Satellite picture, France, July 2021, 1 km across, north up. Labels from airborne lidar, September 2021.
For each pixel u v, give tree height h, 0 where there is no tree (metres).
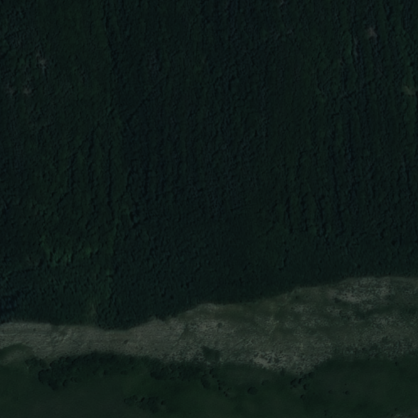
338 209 16
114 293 21
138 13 26
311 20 18
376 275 11
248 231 29
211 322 0
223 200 16
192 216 23
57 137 20
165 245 24
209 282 18
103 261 26
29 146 25
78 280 15
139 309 20
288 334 0
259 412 0
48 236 19
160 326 0
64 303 22
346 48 23
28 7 16
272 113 23
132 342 0
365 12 27
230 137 20
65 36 26
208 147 20
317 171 26
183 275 22
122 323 18
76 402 0
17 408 0
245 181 17
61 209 23
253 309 0
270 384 15
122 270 22
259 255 28
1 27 21
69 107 21
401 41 25
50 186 21
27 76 22
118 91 20
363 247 25
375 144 25
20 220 22
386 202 19
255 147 18
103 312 21
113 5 23
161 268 25
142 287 23
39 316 14
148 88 23
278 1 19
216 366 6
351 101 29
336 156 29
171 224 21
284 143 20
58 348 0
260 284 23
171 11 20
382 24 26
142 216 21
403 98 25
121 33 19
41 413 0
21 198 21
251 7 24
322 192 25
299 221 14
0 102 16
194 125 25
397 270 16
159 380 21
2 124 24
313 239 29
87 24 19
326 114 24
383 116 18
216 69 24
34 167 24
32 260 15
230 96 21
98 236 26
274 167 23
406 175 16
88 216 28
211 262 22
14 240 21
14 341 0
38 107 21
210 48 22
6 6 26
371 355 7
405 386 0
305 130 24
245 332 0
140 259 25
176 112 16
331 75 27
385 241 25
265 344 0
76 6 26
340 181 29
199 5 20
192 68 20
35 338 0
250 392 18
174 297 22
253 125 24
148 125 17
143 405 23
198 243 18
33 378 0
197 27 25
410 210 18
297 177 14
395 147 24
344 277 6
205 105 14
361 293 6
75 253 14
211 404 0
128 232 27
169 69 18
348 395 16
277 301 0
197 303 6
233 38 16
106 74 19
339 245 22
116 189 29
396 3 24
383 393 0
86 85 21
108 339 0
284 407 0
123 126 10
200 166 23
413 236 17
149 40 17
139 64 19
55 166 27
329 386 0
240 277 25
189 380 20
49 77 24
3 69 20
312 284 14
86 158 11
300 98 20
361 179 25
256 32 15
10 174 26
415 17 24
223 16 24
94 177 21
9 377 0
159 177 18
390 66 24
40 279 20
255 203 16
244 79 20
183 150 26
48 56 24
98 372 17
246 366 7
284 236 30
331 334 0
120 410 0
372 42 17
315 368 7
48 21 20
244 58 17
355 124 28
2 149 22
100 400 0
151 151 22
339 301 9
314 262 21
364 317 7
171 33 20
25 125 21
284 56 18
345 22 31
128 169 21
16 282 22
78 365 21
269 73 23
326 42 23
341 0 24
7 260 22
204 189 20
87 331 0
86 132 19
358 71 28
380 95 15
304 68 22
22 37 16
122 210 33
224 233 25
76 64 20
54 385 19
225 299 18
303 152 8
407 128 30
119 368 7
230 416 0
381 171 22
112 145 18
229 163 22
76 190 24
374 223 20
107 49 10
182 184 22
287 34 18
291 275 19
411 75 33
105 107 16
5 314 14
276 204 19
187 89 23
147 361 21
